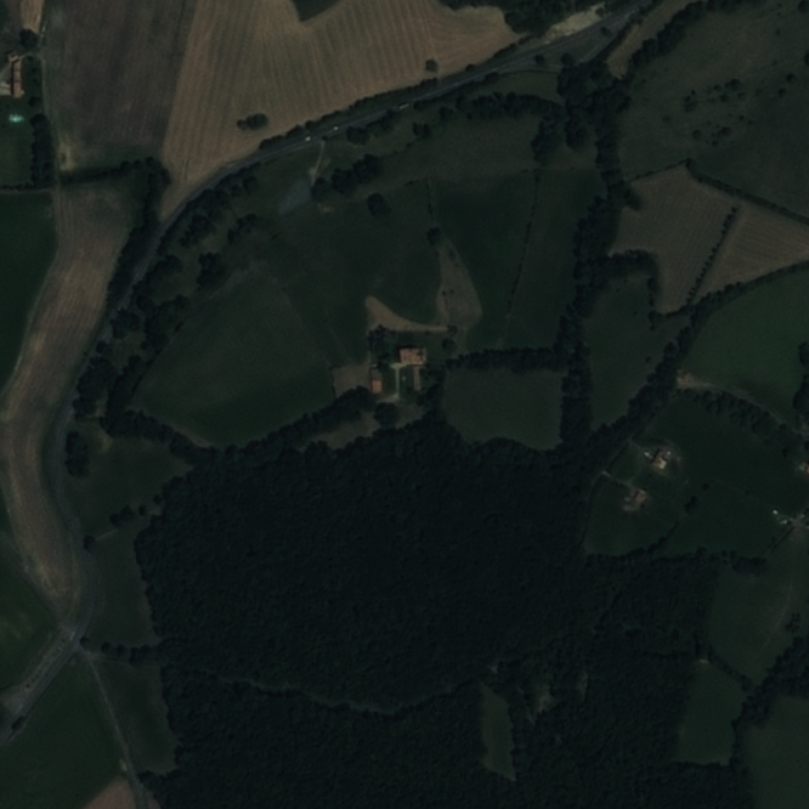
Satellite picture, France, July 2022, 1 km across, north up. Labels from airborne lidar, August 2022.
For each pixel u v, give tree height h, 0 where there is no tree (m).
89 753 0
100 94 0
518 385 0
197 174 0
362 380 0
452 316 0
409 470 21
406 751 18
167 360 0
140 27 0
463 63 0
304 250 0
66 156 0
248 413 0
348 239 0
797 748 0
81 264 0
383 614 18
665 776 18
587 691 12
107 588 0
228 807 18
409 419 0
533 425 0
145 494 0
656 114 0
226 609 21
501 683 9
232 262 0
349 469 26
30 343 0
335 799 19
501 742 0
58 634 0
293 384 0
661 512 0
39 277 0
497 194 0
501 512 23
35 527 0
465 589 21
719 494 0
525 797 20
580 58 0
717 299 9
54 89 0
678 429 0
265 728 21
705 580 16
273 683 20
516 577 22
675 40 16
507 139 0
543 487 24
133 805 0
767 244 0
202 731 11
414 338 0
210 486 21
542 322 0
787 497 0
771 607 0
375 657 18
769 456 0
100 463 0
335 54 0
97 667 0
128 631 0
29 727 0
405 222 0
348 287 0
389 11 0
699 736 0
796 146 0
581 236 9
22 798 0
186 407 0
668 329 0
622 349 0
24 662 0
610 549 0
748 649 0
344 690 20
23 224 0
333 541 23
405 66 0
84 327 0
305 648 19
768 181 0
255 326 0
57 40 0
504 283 0
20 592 0
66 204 0
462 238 0
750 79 0
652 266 17
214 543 20
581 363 23
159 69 0
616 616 14
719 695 0
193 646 20
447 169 0
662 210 0
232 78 0
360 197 0
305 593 20
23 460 0
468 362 16
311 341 0
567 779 19
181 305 18
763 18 0
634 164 0
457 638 20
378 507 23
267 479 20
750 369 0
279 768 18
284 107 0
